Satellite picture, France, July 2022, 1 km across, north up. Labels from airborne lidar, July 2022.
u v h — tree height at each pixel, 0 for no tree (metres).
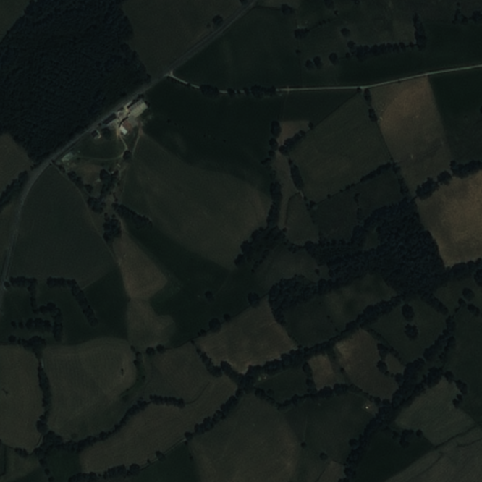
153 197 0
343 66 0
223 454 0
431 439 0
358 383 0
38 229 0
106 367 0
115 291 0
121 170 0
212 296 19
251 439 0
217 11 0
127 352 0
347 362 0
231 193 0
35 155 11
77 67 12
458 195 0
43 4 25
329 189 0
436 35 0
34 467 0
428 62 0
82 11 21
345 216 0
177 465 0
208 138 0
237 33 0
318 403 0
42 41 10
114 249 0
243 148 0
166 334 0
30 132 9
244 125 0
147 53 0
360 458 22
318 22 0
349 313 0
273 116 0
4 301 0
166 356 0
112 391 0
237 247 0
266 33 0
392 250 20
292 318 0
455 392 0
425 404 0
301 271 0
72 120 10
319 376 0
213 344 0
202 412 0
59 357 0
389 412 22
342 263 18
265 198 0
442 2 0
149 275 0
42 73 11
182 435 0
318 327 0
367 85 0
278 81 0
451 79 0
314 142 0
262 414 0
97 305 0
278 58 0
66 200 0
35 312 13
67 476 0
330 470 0
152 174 0
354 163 0
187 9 0
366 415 0
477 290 0
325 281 17
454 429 0
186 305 0
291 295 9
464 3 0
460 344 0
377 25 0
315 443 0
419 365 22
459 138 0
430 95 0
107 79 8
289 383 0
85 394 0
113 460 0
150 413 0
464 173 21
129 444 0
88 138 0
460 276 22
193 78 0
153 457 0
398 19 0
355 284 0
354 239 12
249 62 0
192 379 0
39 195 0
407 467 0
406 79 0
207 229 0
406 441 21
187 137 0
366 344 0
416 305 0
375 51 19
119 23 19
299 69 0
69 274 0
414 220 16
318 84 0
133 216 22
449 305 0
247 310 0
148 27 0
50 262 0
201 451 0
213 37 0
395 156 0
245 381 27
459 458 0
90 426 0
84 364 0
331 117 0
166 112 0
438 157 0
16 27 16
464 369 0
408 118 0
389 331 0
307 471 0
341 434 0
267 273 0
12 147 0
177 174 0
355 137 0
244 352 0
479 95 0
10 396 0
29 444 0
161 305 0
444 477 0
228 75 0
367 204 0
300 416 0
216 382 0
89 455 0
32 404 0
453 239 0
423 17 0
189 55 0
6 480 0
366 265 15
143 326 0
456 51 0
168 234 0
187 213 0
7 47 9
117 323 0
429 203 0
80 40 8
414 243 12
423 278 22
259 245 9
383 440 0
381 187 0
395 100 0
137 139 0
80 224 0
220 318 0
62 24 21
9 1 0
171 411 0
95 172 0
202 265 0
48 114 11
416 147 0
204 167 0
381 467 0
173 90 0
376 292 0
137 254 0
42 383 18
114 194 7
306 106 0
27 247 0
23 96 9
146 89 0
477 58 0
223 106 0
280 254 0
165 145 0
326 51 0
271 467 0
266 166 9
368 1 0
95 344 0
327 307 0
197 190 0
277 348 0
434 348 15
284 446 0
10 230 0
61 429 0
